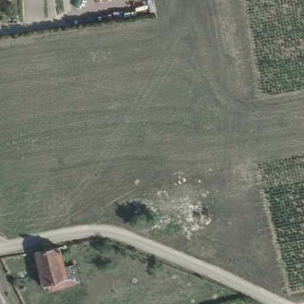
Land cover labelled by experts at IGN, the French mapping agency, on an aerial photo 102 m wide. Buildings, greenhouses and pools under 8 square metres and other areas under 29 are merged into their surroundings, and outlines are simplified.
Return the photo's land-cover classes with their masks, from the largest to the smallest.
<instances>
[{"label":"agricultural land","instance_id":"1","mask_svg":"<svg viewBox=\"0 0 304 304\"><path fill-rule=\"evenodd\" d=\"M154 18L132 21L34 32L28 36L0 39V239L6 236L9 240L17 239L23 234L39 236L40 233L49 230L84 224H107L129 230L137 223L138 217L150 209L154 218L153 226L138 229L134 233L220 267L274 293L284 287V280L259 194L266 186L261 185L264 170H259L258 164L262 161L270 163L274 159L304 154V89L277 95L262 93L247 0H154Z\"/></svg>","mask_w":304,"mask_h":304},{"label":"herbaceous vegetation","instance_id":"2","mask_svg":"<svg viewBox=\"0 0 304 304\"><path fill-rule=\"evenodd\" d=\"M0 24L26 25L21 11V0H0ZM58 248L55 251L63 255L68 278L76 279L78 284L55 292L45 290L44 286L40 285L26 274L24 248L19 252L0 253V304H198L203 300L228 296L237 291L207 275L158 258L125 242L100 235L57 242Z\"/></svg>","mask_w":304,"mask_h":304},{"label":"vineyard","instance_id":"3","mask_svg":"<svg viewBox=\"0 0 304 304\"><path fill-rule=\"evenodd\" d=\"M262 93L277 95L304 89V0H247ZM259 170H264L261 185L266 186L259 194L284 280V287L274 293L293 303L304 302V154L274 159L270 163L262 161L258 164ZM39 243L24 248L26 274L40 285L34 259V255L39 252Z\"/></svg>","mask_w":304,"mask_h":304},{"label":"pervious surface","instance_id":"4","mask_svg":"<svg viewBox=\"0 0 304 304\"><path fill-rule=\"evenodd\" d=\"M127 1L135 0H21V11L26 25L0 24V39L28 36L34 32L132 21L125 12H132L134 8L125 6ZM100 235L125 242L158 258L207 275L237 291L264 304H304V302L293 303L274 293L220 267L134 233L129 230L107 224H84L49 230L40 233L39 236L23 234L17 239L9 240L6 236L0 239V253L19 252L24 248L39 243V252L55 251L58 248L57 242Z\"/></svg>","mask_w":304,"mask_h":304},{"label":"building","instance_id":"5","mask_svg":"<svg viewBox=\"0 0 304 304\"><path fill-rule=\"evenodd\" d=\"M34 259L40 285L44 286L45 290L55 292L78 284L76 279L68 278L63 255L55 251L39 252L34 255Z\"/></svg>","mask_w":304,"mask_h":304},{"label":"impervious surface","instance_id":"6","mask_svg":"<svg viewBox=\"0 0 304 304\"><path fill-rule=\"evenodd\" d=\"M134 8L132 12H125L132 21L154 18V0H135L127 1L125 6Z\"/></svg>","mask_w":304,"mask_h":304},{"label":"brushwood","instance_id":"7","mask_svg":"<svg viewBox=\"0 0 304 304\"><path fill-rule=\"evenodd\" d=\"M198 304H264L237 291L228 296L203 300Z\"/></svg>","mask_w":304,"mask_h":304},{"label":"deciduous trees","instance_id":"8","mask_svg":"<svg viewBox=\"0 0 304 304\"><path fill-rule=\"evenodd\" d=\"M154 218L150 209L138 217L137 223L129 230L134 233L138 229L153 226Z\"/></svg>","mask_w":304,"mask_h":304}]
</instances>
